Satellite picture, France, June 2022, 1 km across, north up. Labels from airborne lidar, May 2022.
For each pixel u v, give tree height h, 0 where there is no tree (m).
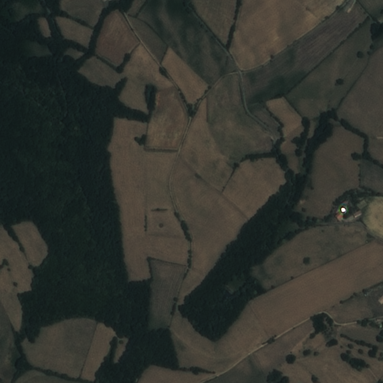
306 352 18
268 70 0
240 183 0
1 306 0
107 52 0
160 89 0
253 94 0
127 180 0
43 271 14
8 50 22
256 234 15
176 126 0
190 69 0
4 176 15
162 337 17
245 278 8
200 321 17
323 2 0
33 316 17
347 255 0
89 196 21
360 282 0
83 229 17
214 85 0
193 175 0
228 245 10
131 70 0
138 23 0
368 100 0
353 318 0
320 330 15
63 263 12
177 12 0
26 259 0
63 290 17
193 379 0
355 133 12
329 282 0
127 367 15
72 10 0
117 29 0
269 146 0
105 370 18
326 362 0
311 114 0
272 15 0
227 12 0
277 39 0
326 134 26
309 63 0
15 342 7
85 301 10
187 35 0
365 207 0
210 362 0
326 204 0
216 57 0
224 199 0
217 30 0
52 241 16
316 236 0
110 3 9
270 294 0
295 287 0
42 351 0
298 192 16
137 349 16
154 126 0
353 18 0
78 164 15
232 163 0
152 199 0
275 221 16
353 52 0
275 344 0
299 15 0
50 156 13
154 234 0
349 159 0
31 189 14
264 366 0
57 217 18
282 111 0
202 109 0
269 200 11
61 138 17
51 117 17
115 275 16
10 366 0
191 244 0
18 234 0
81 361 0
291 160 0
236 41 0
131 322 20
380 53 0
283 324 0
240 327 0
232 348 0
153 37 0
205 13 0
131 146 0
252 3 0
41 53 0
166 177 0
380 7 0
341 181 0
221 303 16
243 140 0
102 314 14
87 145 14
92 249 15
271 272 0
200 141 0
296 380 0
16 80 21
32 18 21
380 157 0
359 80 0
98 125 18
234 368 0
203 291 16
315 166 0
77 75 15
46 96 23
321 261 0
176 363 16
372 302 0
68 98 18
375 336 0
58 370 0
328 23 0
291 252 0
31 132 15
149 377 0
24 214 15
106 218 12
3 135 22
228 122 0
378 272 0
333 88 0
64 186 17
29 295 17
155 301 0
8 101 17
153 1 0
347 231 0
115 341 14
